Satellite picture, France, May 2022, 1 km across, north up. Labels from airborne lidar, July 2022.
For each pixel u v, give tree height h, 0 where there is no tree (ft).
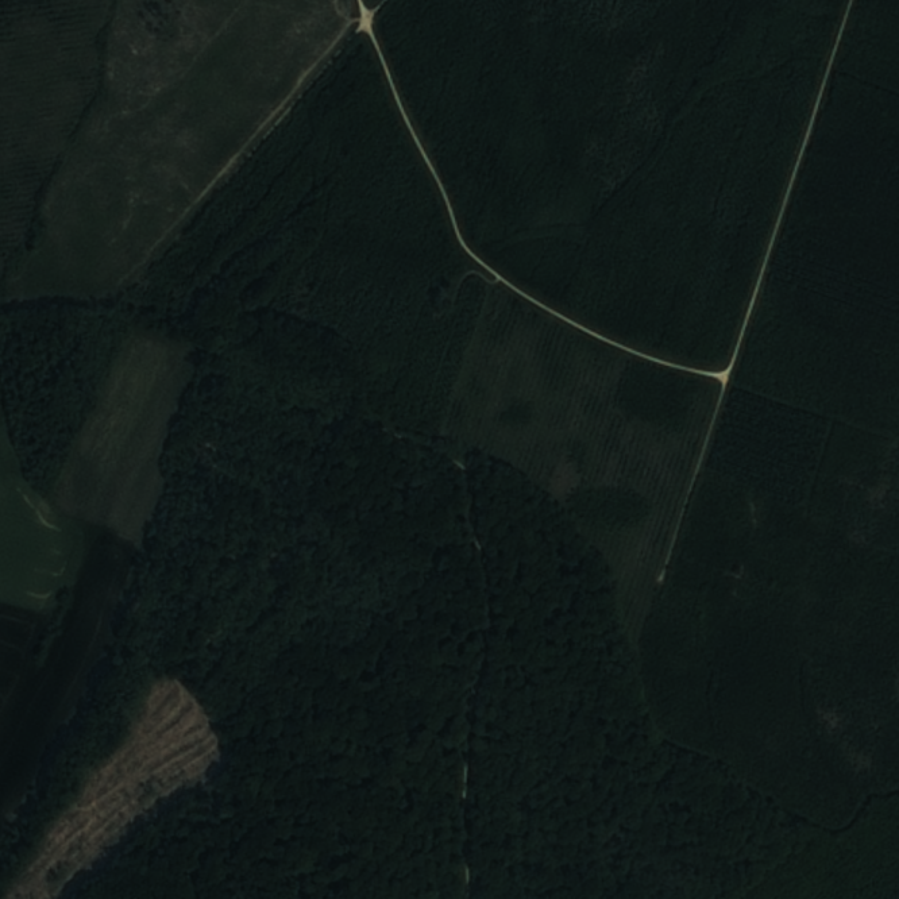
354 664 109
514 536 104
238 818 103
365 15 0
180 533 92
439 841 81
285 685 83
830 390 22
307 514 94
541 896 92
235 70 0
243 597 98
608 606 87
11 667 0
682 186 24
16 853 74
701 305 21
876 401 22
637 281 23
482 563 59
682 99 29
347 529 81
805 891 34
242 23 0
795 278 36
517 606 84
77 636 0
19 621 0
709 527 18
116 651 21
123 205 0
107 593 0
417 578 97
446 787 99
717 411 0
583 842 73
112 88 0
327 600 79
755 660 22
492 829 93
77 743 91
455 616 98
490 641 100
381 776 108
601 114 23
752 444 30
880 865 31
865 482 22
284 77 0
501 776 86
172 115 0
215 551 107
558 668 90
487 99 23
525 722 100
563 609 109
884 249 31
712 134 21
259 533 94
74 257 0
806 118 21
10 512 0
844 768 25
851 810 22
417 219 26
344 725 99
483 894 92
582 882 94
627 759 89
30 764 0
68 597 58
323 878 104
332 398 80
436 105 24
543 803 85
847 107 29
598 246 23
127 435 0
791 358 22
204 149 0
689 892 73
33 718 0
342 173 20
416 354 17
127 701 117
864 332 25
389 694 102
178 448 45
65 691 0
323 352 90
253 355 86
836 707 22
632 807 98
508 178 33
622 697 88
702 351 20
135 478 0
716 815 88
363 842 104
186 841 106
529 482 73
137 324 55
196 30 0
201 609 95
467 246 0
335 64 36
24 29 0
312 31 0
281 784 106
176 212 0
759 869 67
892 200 31
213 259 38
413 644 105
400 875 89
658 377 20
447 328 28
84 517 0
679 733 24
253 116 0
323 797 100
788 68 26
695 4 24
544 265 20
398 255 29
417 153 0
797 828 92
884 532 23
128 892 109
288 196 23
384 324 19
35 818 85
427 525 80
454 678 98
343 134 28
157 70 0
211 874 102
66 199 0
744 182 24
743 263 26
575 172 26
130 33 0
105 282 0
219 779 93
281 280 37
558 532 106
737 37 41
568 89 29
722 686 26
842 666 22
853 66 21
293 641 76
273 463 86
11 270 28
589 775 91
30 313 78
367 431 87
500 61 22
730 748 22
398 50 22
